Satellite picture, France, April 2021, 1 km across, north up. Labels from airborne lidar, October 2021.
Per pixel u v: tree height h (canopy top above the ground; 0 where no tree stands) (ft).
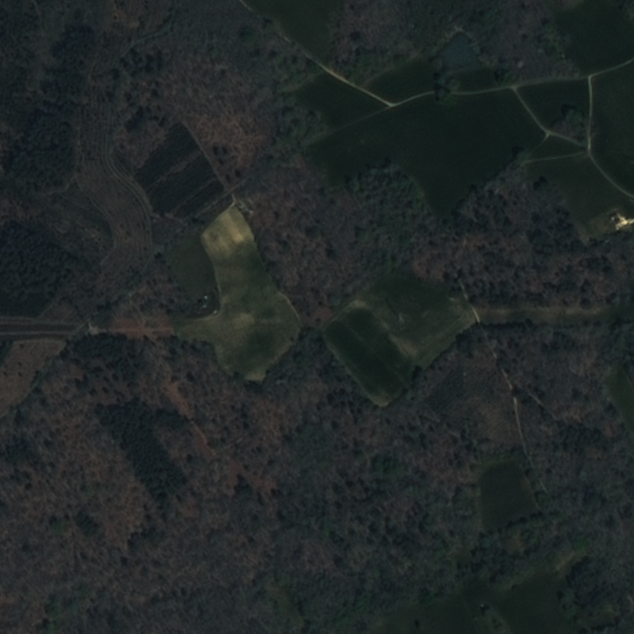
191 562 31
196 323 0
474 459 47
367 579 73
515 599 0
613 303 57
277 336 0
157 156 26
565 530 62
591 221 0
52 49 44
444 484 36
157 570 51
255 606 70
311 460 78
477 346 83
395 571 66
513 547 0
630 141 0
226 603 61
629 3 27
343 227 22
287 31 0
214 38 66
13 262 77
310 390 51
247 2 0
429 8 54
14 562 31
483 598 0
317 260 37
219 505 53
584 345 25
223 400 22
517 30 38
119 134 25
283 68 46
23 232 76
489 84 0
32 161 76
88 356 56
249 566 42
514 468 0
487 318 0
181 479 55
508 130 0
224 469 47
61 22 61
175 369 37
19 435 24
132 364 64
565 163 0
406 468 44
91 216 28
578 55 0
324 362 31
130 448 68
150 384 33
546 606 0
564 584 0
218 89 41
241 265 0
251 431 65
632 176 0
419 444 25
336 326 0
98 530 56
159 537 67
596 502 81
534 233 39
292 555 26
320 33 0
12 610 30
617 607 54
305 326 0
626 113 0
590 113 0
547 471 23
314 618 89
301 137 41
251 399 28
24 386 18
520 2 37
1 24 80
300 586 69
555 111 0
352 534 46
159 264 36
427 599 71
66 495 20
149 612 56
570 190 0
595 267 71
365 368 0
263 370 0
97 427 26
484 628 0
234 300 0
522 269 34
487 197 63
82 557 48
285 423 31
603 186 0
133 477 49
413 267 35
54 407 27
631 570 45
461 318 0
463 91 0
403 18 57
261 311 0
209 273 0
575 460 62
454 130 0
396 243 52
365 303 0
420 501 38
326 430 50
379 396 0
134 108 65
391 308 0
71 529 42
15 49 78
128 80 27
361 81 56
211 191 26
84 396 30
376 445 18
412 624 0
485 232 68
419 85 0
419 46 67
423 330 0
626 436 56
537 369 30
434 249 43
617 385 0
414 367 0
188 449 36
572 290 75
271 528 58
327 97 0
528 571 85
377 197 40
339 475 34
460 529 56
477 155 0
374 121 0
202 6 45
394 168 69
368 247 39
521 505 0
